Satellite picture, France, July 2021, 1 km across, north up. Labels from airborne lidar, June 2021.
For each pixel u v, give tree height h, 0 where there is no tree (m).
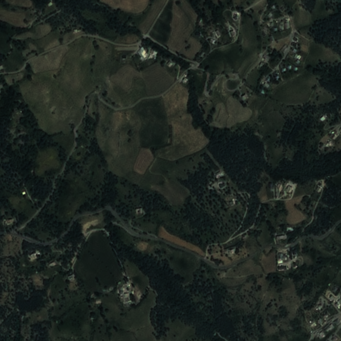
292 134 8
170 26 0
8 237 0
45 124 0
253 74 0
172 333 0
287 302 0
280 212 10
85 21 15
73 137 0
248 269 0
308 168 8
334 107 14
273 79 6
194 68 0
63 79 0
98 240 0
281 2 0
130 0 0
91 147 8
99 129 0
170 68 0
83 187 0
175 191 0
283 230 10
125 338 0
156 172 0
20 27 8
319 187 0
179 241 0
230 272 0
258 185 9
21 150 12
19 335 12
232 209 0
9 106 12
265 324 0
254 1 0
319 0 0
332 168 17
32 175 7
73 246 12
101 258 0
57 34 0
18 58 0
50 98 0
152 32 0
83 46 0
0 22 12
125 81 0
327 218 11
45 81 0
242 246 9
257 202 11
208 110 0
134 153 0
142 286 0
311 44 0
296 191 0
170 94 0
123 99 0
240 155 15
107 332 7
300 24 0
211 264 0
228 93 0
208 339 7
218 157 11
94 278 0
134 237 6
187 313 11
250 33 0
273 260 0
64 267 10
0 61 6
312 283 8
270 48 11
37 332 7
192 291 14
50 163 0
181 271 0
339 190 6
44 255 9
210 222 10
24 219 12
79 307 0
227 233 8
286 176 10
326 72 18
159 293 14
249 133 7
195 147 0
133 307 11
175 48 0
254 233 7
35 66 0
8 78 0
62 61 0
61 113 0
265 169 13
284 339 0
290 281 0
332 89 8
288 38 0
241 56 0
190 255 0
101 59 0
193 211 7
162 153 0
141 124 0
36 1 13
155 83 0
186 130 0
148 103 0
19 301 14
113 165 0
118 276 0
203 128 12
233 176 11
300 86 0
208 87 8
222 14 0
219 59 0
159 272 18
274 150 0
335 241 7
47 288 6
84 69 0
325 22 11
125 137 0
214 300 12
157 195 10
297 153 8
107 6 6
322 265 6
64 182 9
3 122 11
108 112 0
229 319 14
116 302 0
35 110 0
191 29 0
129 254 15
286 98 0
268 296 0
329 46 7
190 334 0
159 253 12
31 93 0
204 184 15
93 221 0
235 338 8
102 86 0
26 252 13
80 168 11
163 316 17
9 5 8
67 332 0
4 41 0
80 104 0
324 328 6
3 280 6
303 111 8
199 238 9
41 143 19
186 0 0
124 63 0
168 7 0
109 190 10
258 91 10
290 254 7
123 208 6
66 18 6
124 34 9
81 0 12
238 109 0
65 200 0
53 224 13
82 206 8
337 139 0
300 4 7
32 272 7
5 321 10
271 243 0
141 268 18
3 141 16
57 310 0
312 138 7
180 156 0
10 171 13
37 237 11
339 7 9
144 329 0
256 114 0
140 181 0
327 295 0
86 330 0
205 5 14
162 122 0
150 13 0
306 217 0
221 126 0
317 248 0
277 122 0
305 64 0
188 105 10
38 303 16
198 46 0
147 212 8
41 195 10
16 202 0
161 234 0
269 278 15
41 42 0
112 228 16
